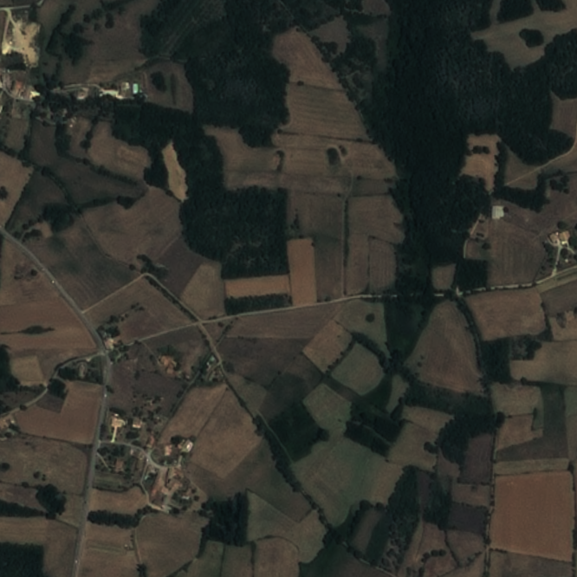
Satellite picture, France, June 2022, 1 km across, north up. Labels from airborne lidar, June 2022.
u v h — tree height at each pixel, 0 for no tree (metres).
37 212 0
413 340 0
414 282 11
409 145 23
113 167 0
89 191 0
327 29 0
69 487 0
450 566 0
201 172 11
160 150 10
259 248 7
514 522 0
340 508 0
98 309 0
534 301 0
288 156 0
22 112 0
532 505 0
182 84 0
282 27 6
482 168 0
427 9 18
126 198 10
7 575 11
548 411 0
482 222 10
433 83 9
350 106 0
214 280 0
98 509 0
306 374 0
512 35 0
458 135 14
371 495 0
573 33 10
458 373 0
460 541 0
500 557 0
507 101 10
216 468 0
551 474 0
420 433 0
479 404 6
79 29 9
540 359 0
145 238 0
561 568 0
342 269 0
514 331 0
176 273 0
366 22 0
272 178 0
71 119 9
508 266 0
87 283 0
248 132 6
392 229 0
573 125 0
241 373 0
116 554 0
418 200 12
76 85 0
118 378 0
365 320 0
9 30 0
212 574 0
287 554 0
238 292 0
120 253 0
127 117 9
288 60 0
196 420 0
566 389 0
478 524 0
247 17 8
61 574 0
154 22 8
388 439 11
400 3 13
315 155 0
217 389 0
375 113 9
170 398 0
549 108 7
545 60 10
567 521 0
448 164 13
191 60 10
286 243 9
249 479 0
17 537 0
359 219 0
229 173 0
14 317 0
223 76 10
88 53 0
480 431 12
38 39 0
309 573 0
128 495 0
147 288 0
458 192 14
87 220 0
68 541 0
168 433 0
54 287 0
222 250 9
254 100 6
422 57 18
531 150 12
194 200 12
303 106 0
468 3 10
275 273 12
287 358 0
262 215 12
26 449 0
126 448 7
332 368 7
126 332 0
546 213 0
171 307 0
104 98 6
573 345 0
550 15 0
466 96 11
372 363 0
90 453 0
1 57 0
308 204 0
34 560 9
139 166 0
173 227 0
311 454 0
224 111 10
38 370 0
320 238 0
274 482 0
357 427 7
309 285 0
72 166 0
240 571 0
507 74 14
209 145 9
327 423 0
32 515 10
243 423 0
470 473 0
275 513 0
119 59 0
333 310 0
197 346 0
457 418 13
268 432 8
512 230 0
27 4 0
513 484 0
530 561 0
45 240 0
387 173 0
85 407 0
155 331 0
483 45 11
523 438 0
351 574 0
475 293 8
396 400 0
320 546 0
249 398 0
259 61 9
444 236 7
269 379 0
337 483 0
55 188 0
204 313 0
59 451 0
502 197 11
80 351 0
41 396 0
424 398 7
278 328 0
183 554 0
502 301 0
